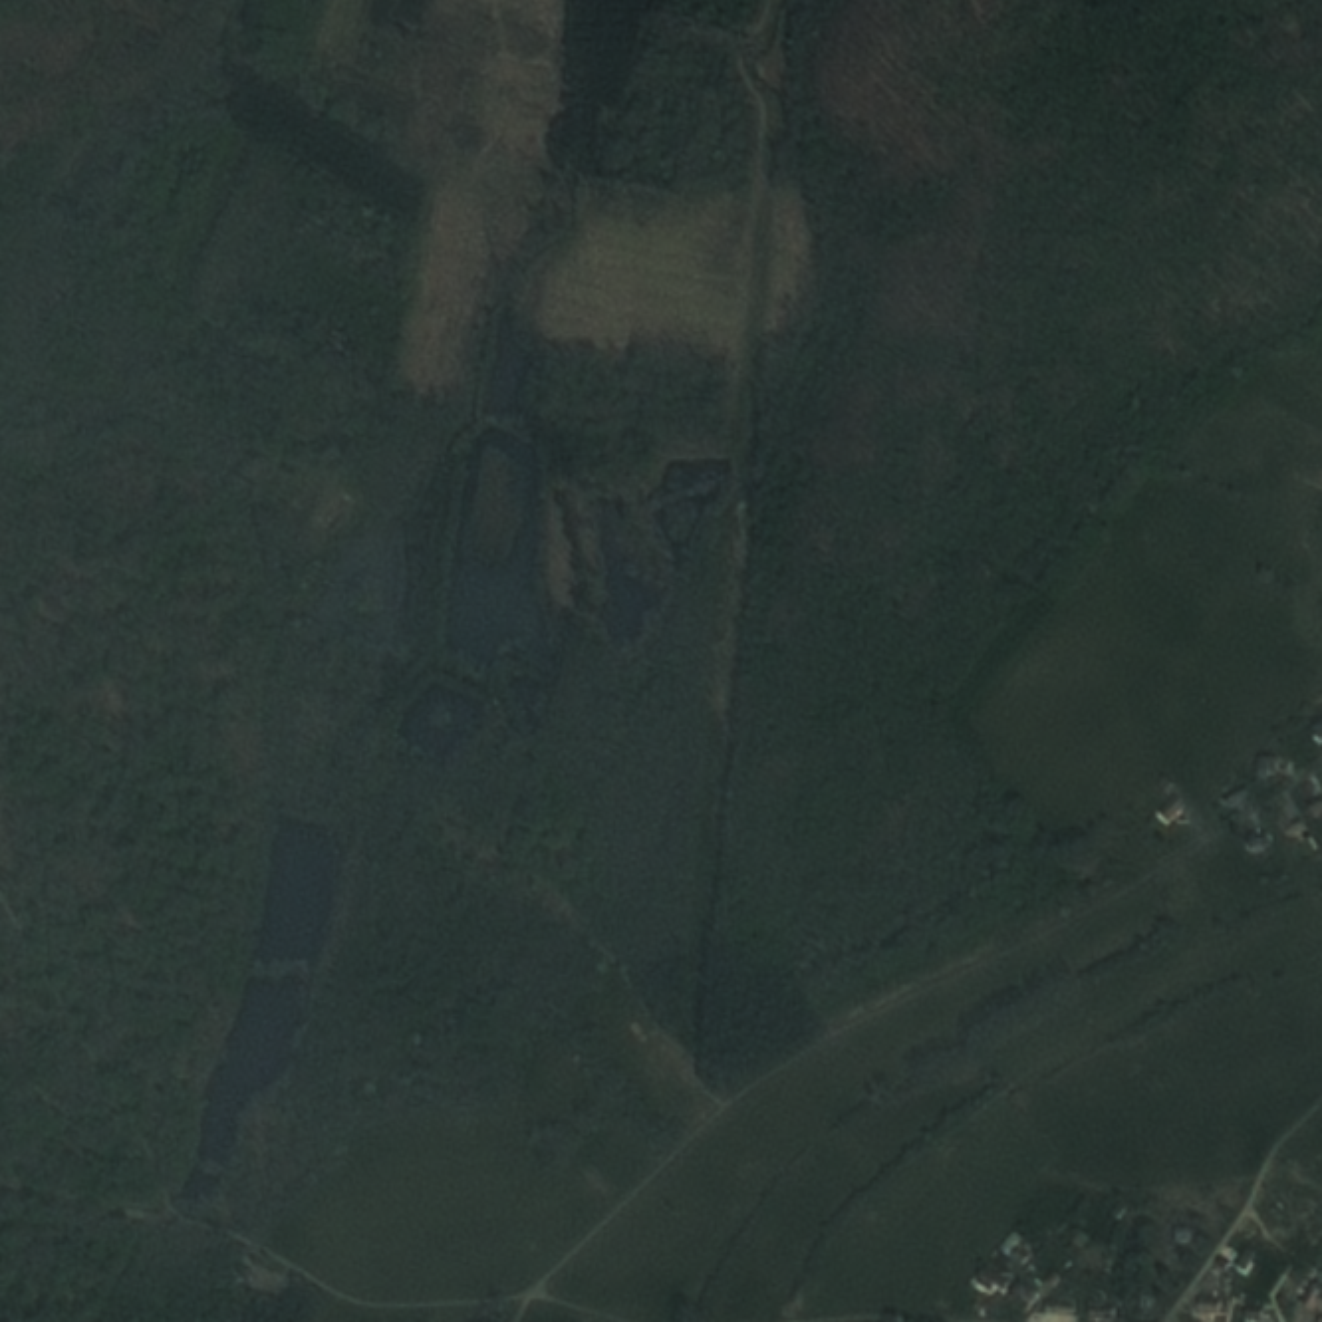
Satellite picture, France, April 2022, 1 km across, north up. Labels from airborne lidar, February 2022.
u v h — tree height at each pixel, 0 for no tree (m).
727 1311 0
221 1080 0
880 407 16
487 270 0
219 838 21
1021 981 0
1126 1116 0
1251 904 0
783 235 0
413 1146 0
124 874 21
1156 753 0
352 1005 20
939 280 16
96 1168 19
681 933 21
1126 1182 0
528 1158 0
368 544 0
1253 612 0
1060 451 21
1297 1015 0
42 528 19
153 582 18
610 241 0
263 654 23
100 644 30
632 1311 0
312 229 13
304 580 19
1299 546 0
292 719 16
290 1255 0
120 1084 23
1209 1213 0
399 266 21
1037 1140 0
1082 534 17
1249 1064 0
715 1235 0
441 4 0
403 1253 0
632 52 10
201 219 9
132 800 23
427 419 23
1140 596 0
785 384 23
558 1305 0
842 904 19
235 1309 13
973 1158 0
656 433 29
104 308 24
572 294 0
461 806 26
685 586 19
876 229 14
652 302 0
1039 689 0
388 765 18
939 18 17
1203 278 18
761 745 17
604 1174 0
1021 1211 0
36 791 26
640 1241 0
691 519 17
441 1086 9
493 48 0
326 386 25
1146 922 0
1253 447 0
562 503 12
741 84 14
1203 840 0
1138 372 22
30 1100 27
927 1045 0
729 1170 0
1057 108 19
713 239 0
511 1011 27
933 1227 0
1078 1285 0
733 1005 23
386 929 15
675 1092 0
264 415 25
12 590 19
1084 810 0
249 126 14
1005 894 23
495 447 0
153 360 24
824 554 15
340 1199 0
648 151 12
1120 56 20
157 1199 16
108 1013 27
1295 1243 0
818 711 16
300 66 17
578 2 15
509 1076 18
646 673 16
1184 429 17
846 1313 0
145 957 25
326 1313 0
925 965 15
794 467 16
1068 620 0
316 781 7
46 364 23
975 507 18
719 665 0
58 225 26
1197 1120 0
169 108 21
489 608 0
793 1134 0
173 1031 16
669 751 20
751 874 15
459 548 0
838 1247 0
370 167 13
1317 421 0
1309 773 0
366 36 0
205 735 28
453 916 21
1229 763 0
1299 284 21
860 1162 0
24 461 19
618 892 23
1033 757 0
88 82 16
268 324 25
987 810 21
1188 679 0
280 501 0
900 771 14
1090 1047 0
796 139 16
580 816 26
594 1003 0
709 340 0
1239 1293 0
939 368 18
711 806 0
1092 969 7
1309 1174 0
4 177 15
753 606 17
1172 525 0
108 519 17
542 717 19
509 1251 0
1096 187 19
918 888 18
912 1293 0
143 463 21
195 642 26
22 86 17
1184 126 18
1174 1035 0
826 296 21
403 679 17
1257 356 11
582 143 17
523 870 21
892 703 19
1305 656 0
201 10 23
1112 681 0
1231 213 20
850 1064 0
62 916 27
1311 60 18
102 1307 19
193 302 16
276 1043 0
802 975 18
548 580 13
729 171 14
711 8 7
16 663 26
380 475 27
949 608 18
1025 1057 0
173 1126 25
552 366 25
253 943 13
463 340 0
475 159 0
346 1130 17
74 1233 21
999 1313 0
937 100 17
